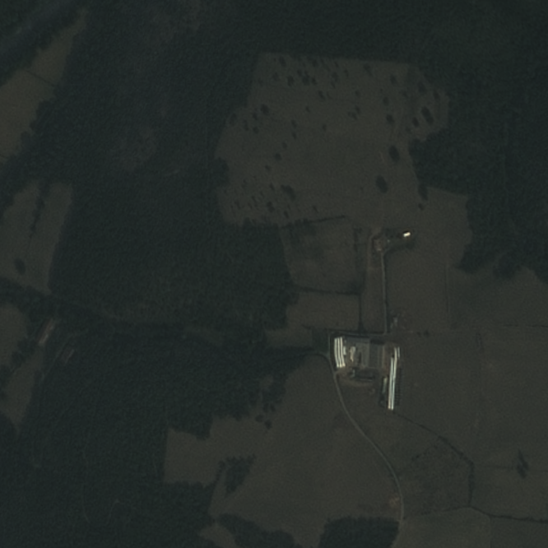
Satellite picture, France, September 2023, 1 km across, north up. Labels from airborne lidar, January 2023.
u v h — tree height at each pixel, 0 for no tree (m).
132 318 6
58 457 13
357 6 17
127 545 15
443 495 0
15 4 17
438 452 0
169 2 13
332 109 0
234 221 0
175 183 8
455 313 0
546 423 0
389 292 0
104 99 19
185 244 12
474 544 0
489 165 18
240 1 10
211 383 13
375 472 0
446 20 16
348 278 0
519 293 0
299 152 0
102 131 18
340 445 0
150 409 12
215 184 6
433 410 0
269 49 7
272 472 0
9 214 0
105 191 16
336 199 0
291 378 0
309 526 0
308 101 0
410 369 0
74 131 24
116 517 10
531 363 0
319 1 14
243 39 15
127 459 6
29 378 0
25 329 0
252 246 11
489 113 18
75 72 27
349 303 0
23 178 17
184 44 16
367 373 0
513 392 0
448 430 0
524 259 18
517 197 17
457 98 13
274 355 11
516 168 21
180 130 13
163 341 23
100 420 13
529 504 0
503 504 0
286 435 0
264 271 10
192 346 17
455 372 0
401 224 0
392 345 0
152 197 8
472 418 0
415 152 17
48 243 0
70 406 11
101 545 14
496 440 0
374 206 0
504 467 0
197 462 0
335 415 0
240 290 11
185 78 10
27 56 22
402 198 0
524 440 0
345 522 6
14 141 0
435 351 0
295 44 6
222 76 17
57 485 7
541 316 0
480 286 0
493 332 0
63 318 23
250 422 0
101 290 13
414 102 0
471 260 14
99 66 16
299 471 0
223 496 0
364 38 11
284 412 0
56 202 0
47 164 22
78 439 13
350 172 0
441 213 0
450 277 0
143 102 6
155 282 8
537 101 19
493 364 0
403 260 0
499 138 25
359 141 0
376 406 0
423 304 0
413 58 9
